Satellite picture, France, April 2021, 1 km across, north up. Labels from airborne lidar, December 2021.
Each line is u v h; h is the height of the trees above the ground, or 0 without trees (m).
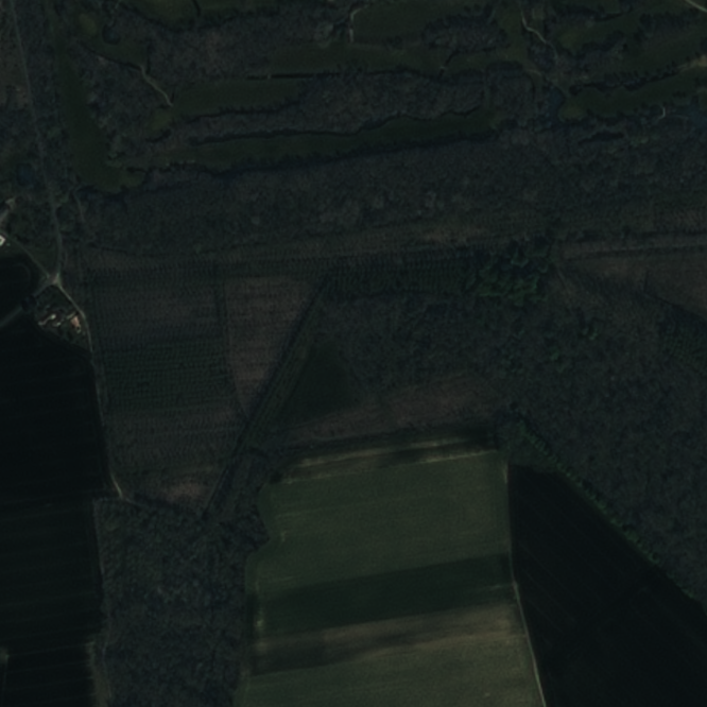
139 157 21
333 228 14
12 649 0
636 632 0
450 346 14
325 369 0
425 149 18
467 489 0
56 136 22
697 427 18
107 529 18
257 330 20
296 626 0
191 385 21
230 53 24
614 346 29
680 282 0
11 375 0
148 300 22
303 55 0
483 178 20
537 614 0
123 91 20
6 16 10
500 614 0
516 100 23
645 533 25
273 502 0
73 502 0
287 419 0
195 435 26
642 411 27
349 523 0
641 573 0
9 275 0
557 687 0
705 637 0
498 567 0
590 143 18
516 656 0
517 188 19
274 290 21
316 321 7
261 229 19
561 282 34
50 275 0
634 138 22
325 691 0
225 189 22
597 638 0
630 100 0
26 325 0
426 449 0
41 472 0
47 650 0
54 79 13
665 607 0
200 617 34
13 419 0
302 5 13
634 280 0
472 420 15
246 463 26
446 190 20
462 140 16
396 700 0
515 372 21
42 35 20
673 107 13
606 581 0
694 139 13
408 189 10
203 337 24
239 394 14
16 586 0
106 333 22
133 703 11
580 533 0
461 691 0
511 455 20
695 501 28
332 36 15
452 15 0
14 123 29
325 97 20
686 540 30
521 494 0
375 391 19
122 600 16
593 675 0
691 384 32
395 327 22
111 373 24
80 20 0
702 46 0
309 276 21
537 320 21
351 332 21
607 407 28
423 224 24
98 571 0
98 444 0
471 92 20
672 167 21
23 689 0
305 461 0
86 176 0
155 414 29
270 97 0
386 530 0
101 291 26
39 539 0
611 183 20
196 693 40
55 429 0
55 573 0
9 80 0
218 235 22
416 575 0
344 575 0
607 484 25
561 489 0
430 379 13
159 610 32
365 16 0
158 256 13
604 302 39
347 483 0
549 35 12
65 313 7
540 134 22
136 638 21
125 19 6
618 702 0
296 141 0
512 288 34
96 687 0
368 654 0
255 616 0
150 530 18
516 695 0
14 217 7
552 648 0
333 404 0
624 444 25
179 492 17
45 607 0
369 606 0
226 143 0
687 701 0
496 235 22
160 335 24
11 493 0
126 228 22
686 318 27
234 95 0
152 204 24
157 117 0
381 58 0
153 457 30
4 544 0
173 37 9
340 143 0
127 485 15
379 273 26
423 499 0
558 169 24
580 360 23
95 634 0
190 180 19
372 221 31
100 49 0
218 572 25
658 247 27
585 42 0
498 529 0
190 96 0
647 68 0
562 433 26
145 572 8
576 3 0
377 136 0
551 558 0
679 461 31
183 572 16
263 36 24
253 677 0
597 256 30
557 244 28
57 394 0
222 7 0
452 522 0
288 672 0
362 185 26
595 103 0
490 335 24
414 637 0
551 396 19
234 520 5
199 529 10
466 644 0
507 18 0
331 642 0
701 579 24
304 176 34
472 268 35
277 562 0
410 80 30
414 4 0
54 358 0
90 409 0
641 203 30
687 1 0
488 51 22
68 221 27
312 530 0
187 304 22
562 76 20
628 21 0
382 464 0
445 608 0
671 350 23
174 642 14
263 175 26
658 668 0
